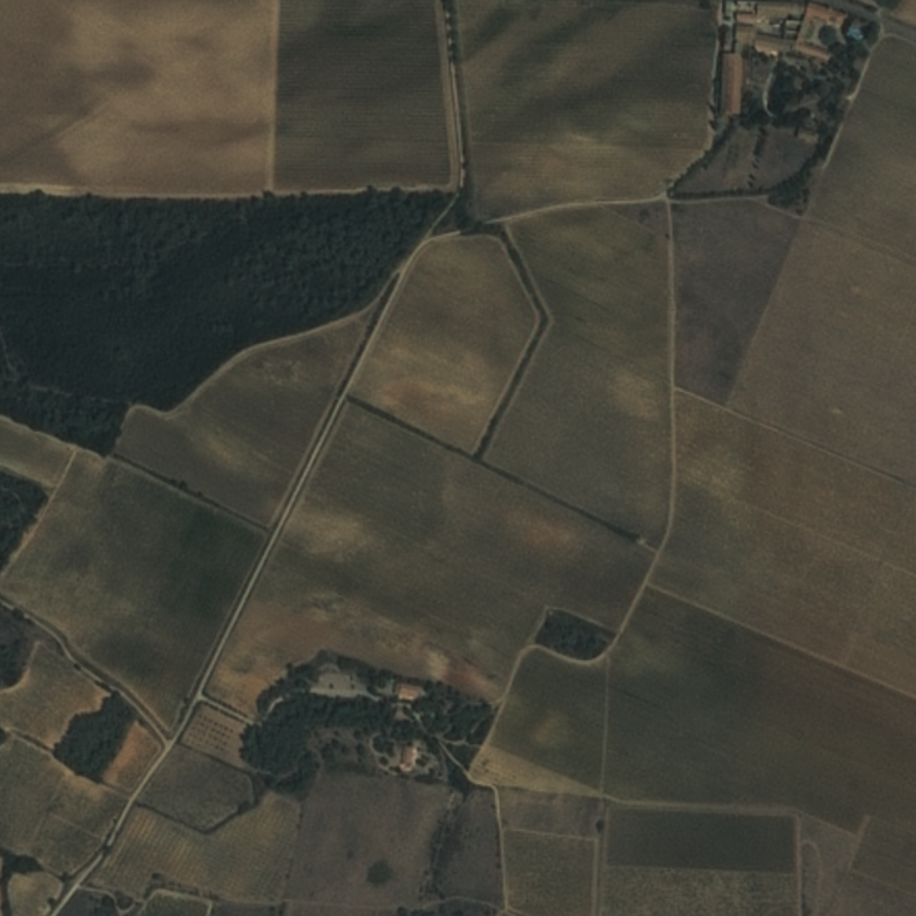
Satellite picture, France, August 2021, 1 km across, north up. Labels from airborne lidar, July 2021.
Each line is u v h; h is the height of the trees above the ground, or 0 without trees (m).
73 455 0
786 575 0
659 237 0
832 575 0
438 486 0
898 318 0
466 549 0
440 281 0
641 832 0
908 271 0
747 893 0
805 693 0
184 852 0
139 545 0
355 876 0
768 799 0
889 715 0
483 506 0
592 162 0
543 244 0
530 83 0
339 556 0
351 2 0
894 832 0
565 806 0
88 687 0
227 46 0
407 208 16
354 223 13
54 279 6
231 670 0
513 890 0
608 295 0
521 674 0
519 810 0
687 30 0
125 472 0
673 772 0
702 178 0
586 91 0
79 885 0
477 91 0
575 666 0
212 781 0
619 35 0
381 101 0
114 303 8
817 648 0
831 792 0
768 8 0
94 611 0
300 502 0
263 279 10
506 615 0
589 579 0
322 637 0
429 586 0
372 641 0
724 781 0
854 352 0
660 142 0
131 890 0
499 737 0
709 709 0
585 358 0
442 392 0
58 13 0
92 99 0
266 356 0
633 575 0
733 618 0
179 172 0
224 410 0
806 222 0
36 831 0
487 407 0
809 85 5
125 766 0
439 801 0
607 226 0
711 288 0
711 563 0
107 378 6
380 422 0
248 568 0
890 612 0
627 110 0
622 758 0
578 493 0
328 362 0
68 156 0
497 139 0
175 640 0
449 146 0
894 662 0
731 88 0
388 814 0
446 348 0
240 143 0
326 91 0
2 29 0
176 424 0
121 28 0
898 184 0
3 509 12
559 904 0
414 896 0
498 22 0
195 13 0
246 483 0
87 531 0
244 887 0
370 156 0
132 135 0
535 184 0
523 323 0
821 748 0
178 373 8
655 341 0
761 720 0
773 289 0
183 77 0
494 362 0
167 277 10
